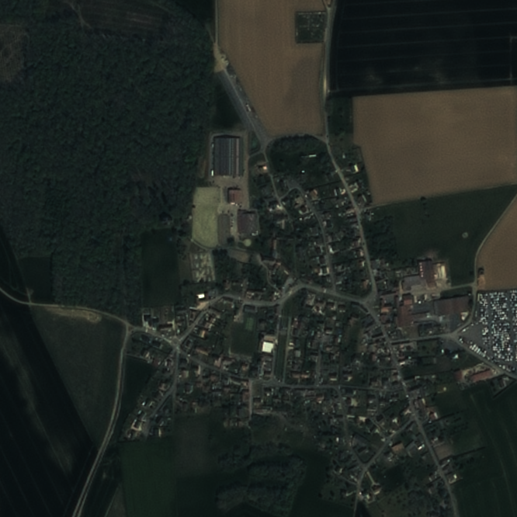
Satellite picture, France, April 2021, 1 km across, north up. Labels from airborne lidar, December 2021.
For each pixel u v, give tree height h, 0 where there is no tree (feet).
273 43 0
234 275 22
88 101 88
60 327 0
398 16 0
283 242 41
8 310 0
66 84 78
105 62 83
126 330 0
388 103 0
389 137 0
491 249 0
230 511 0
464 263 0
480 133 0
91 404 0
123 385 0
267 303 0
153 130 94
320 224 0
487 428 0
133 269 64
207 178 0
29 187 70
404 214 0
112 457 0
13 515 0
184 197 72
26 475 0
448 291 0
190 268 0
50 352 0
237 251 0
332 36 0
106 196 79
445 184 0
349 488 28
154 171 84
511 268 0
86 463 0
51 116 92
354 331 0
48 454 0
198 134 78
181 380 0
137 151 91
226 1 0
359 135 0
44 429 0
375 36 0
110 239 65
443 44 0
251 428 33
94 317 0
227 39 0
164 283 0
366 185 0
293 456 51
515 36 0
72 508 0
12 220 57
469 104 0
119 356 0
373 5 0
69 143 85
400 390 0
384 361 53
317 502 0
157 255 0
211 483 0
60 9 0
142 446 0
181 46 79
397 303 0
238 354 0
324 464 0
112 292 59
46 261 0
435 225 0
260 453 52
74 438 0
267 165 0
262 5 0
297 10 0
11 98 76
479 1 0
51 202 62
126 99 86
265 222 25
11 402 0
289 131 0
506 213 0
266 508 44
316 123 0
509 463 0
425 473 0
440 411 0
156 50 84
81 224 72
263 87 0
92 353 0
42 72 77
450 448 0
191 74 75
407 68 0
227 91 0
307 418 0
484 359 0
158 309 0
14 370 0
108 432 0
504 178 0
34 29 78
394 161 0
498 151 0
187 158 75
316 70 0
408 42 0
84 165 66
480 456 0
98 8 0
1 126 52
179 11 62
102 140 77
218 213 0
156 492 0
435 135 0
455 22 0
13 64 0
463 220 0
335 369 0
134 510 0
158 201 88
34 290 0
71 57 80
